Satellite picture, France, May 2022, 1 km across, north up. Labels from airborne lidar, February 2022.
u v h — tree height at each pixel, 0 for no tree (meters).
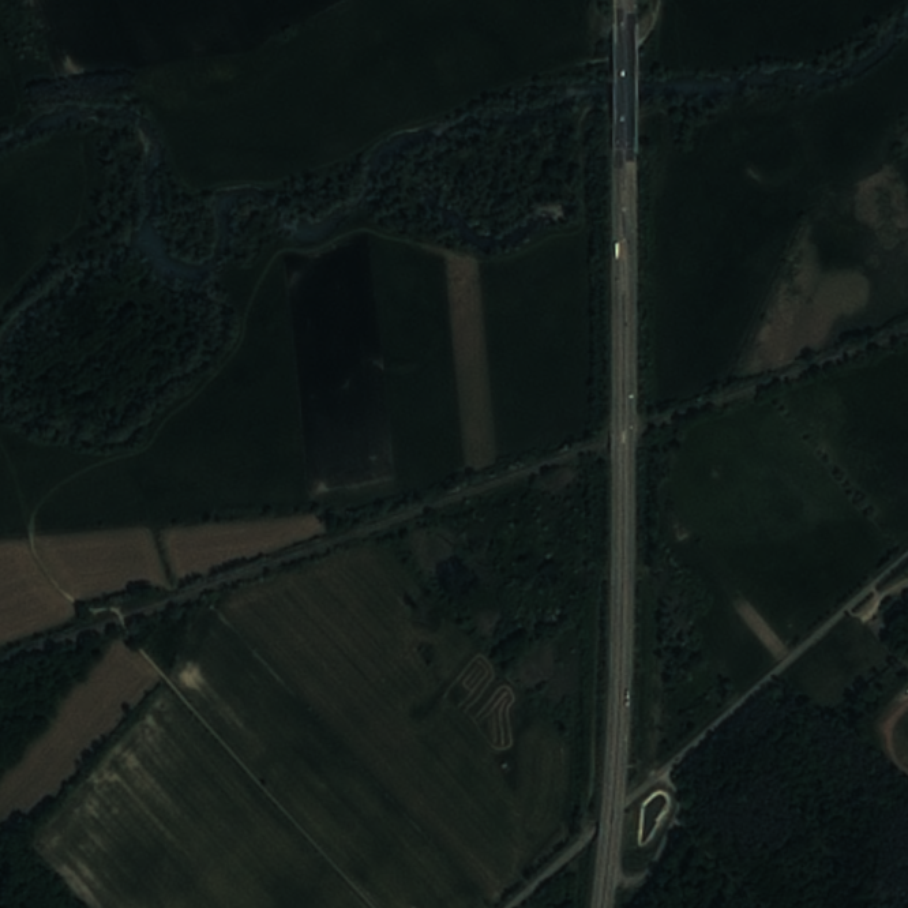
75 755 0
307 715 0
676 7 0
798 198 0
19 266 0
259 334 0
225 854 0
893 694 0
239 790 0
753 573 0
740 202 0
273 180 0
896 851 18
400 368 0
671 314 0
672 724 0
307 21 0
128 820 0
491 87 0
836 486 0
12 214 0
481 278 0
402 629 0
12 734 23
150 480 0
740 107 0
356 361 0
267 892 0
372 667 0
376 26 0
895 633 15
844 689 0
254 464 0
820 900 12
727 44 0
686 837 21
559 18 0
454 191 17
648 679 0
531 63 0
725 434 0
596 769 0
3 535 0
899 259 0
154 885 0
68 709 0
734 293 0
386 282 0
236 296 0
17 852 19
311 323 0
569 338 0
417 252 0
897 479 0
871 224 0
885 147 0
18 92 0
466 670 0
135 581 0
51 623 0
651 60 0
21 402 14
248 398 0
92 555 0
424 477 0
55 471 0
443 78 0
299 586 0
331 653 0
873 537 0
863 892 16
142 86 0
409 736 0
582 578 0
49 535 0
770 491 0
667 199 0
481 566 0
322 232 0
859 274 0
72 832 0
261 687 0
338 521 15
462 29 0
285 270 0
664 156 0
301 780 0
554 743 0
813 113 0
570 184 15
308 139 0
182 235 12
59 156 0
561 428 0
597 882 0
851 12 0
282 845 0
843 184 0
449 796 0
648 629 0
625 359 0
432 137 13
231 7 0
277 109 0
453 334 0
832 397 0
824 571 0
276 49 0
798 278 0
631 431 0
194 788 0
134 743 0
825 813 20
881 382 0
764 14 0
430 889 0
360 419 0
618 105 0
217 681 0
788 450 0
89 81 12
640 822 0
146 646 6
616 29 0
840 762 22
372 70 0
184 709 0
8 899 25
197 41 0
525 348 0
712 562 0
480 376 0
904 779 19
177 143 0
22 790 0
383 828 0
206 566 0
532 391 0
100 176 0
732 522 0
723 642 0
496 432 0
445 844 0
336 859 0
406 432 0
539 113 0
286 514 0
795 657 0
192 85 0
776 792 20
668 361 0
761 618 0
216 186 0
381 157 0
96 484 0
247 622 0
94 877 0
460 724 0
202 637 0
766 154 0
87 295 16
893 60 0
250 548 0
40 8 0
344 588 0
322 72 0
